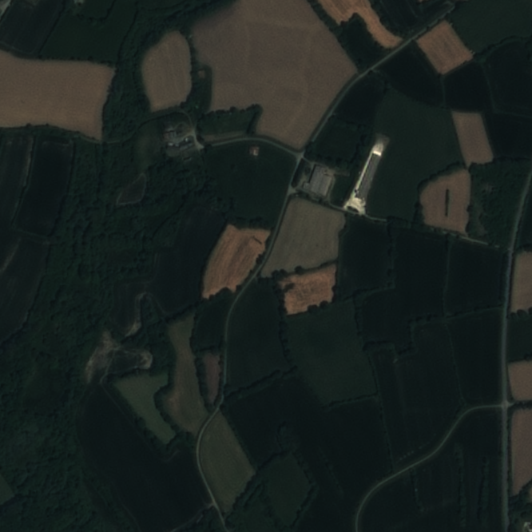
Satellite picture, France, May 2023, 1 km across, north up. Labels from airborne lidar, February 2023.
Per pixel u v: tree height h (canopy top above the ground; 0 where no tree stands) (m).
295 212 0
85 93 0
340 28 8
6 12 6
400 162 0
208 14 16
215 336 0
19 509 23
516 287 0
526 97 0
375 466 0
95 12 0
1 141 6
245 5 0
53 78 0
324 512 0
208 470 0
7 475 6
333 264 0
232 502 0
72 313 7
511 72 0
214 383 0
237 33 0
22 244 0
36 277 0
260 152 0
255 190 0
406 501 0
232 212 13
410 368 0
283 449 9
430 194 0
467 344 0
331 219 0
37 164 0
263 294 0
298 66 0
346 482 0
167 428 0
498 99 0
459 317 11
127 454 0
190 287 0
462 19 0
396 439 0
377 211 0
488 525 0
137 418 7
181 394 0
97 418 0
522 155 0
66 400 23
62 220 11
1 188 0
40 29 0
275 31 0
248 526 0
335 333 0
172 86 0
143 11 8
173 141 0
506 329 0
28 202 0
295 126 0
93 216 23
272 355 0
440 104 0
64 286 11
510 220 6
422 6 8
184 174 17
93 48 0
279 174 0
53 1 0
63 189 0
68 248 10
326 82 0
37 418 13
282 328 17
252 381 0
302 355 0
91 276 12
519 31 0
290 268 0
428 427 0
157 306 0
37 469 10
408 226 14
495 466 0
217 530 15
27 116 0
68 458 13
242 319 0
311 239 0
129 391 0
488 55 13
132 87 0
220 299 10
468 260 0
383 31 0
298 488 0
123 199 0
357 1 0
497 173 7
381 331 0
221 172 0
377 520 0
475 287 0
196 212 0
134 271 12
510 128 0
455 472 0
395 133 0
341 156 0
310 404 0
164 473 0
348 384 0
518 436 0
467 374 0
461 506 8
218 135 0
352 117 0
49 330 0
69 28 0
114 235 8
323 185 0
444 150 0
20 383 10
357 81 0
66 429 9
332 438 0
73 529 9
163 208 19
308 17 0
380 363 0
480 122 0
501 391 0
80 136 10
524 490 10
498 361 0
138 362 0
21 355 21
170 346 10
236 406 0
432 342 0
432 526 0
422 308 0
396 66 0
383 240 0
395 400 0
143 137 0
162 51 0
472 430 0
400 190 0
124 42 8
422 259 0
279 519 8
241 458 0
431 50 0
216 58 0
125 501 0
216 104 0
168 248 0
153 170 12
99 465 0
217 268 0
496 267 0
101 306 9
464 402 8
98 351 0
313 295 0
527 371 0
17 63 0
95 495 0
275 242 0
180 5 7
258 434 0
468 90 0
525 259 0
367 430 0
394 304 0
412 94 0
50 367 14
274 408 0
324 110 0
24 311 0
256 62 0
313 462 0
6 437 11
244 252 0
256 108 12
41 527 19
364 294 11
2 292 0
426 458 0
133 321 0
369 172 0
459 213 0
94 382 0
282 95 0
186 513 0
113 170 6
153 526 0
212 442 0
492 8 0
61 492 12
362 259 0
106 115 10
